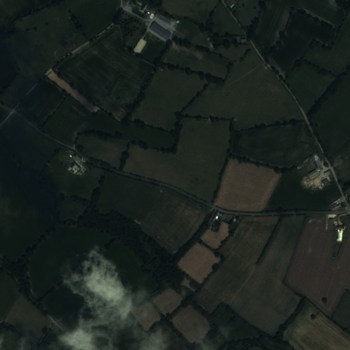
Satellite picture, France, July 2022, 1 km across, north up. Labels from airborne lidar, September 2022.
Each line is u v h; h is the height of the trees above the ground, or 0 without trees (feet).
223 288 0
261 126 43
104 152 0
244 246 0
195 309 31
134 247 35
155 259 31
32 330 0
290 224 0
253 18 0
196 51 0
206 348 0
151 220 0
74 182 0
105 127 0
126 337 0
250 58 0
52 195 27
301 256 0
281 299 0
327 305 0
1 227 0
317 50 0
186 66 0
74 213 0
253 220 0
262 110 0
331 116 0
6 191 0
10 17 0
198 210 0
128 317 0
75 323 0
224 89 0
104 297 0
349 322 0
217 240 0
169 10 0
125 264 0
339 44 0
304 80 0
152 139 0
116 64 0
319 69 25
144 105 0
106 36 0
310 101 0
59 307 0
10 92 0
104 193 0
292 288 0
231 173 0
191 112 0
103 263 0
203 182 0
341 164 0
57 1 61
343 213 0
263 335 23
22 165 26
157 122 0
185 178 0
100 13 0
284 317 0
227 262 0
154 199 0
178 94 0
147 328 0
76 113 0
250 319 0
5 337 0
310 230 0
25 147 0
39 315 0
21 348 0
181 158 0
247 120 0
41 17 0
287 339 0
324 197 0
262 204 0
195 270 0
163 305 0
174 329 26
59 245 0
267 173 0
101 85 0
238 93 0
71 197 33
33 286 0
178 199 0
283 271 0
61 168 0
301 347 0
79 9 0
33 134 0
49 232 42
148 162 0
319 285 0
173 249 0
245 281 0
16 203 0
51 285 0
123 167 24
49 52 0
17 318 0
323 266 0
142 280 0
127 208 0
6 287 0
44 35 0
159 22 0
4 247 0
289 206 0
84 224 52
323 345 0
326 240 0
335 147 0
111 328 0
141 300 31
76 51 0
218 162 0
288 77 29
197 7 0
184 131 0
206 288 0
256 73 0
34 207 0
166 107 0
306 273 0
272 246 0
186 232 0
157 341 0
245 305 0
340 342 0
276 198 0
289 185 0
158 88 0
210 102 0
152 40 0
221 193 0
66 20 0
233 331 0
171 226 0
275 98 0
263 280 0
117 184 0
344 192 18
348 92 0
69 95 29
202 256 0
